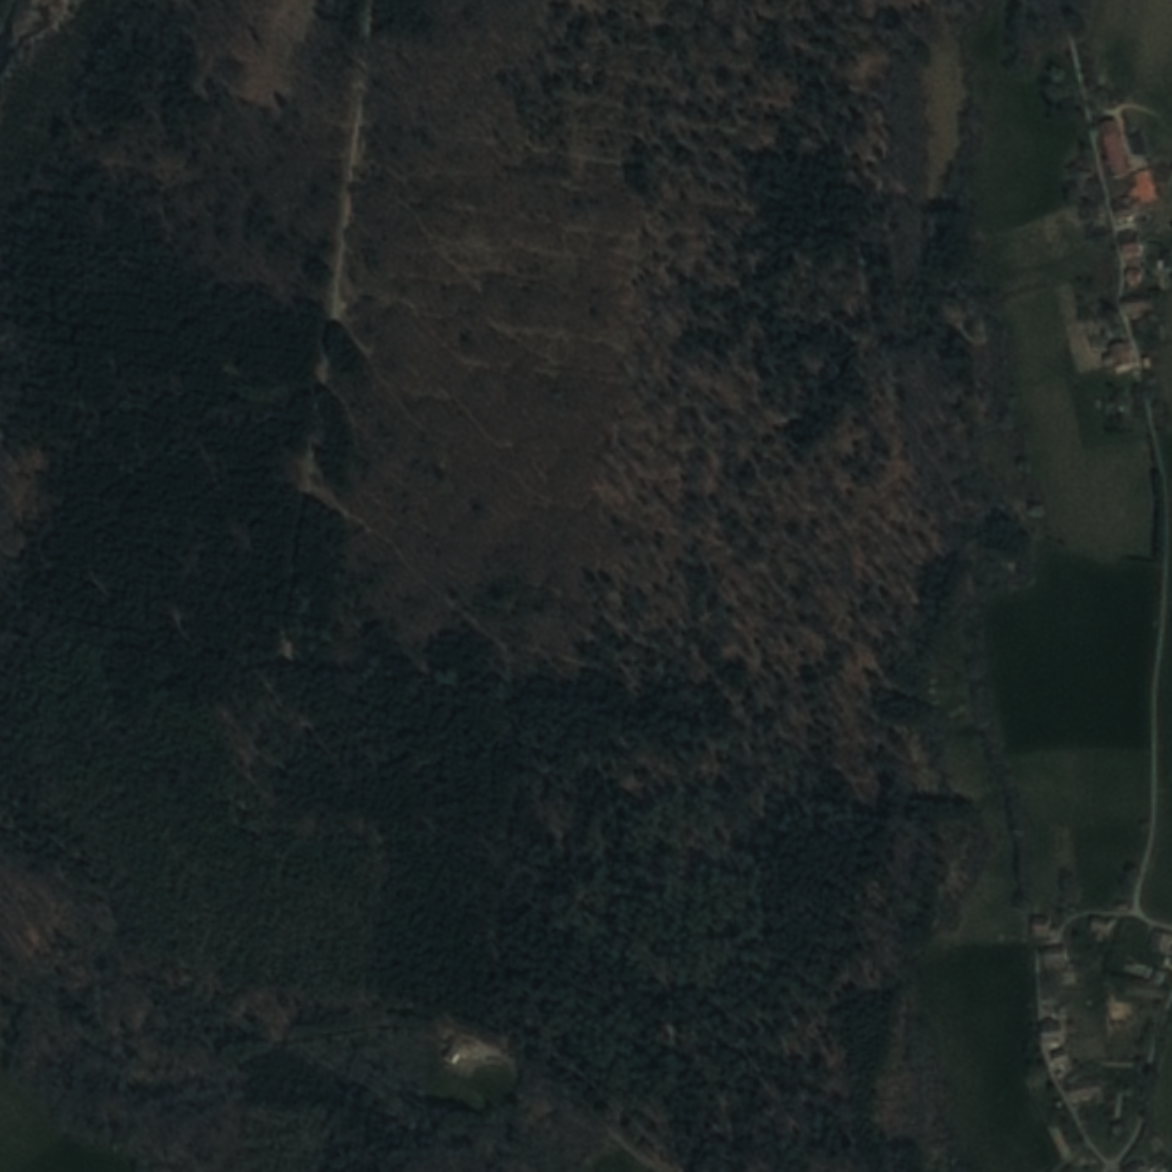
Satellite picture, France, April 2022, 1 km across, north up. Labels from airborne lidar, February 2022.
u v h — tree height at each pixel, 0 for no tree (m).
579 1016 28
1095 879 0
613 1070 33
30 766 17
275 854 11
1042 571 0
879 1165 18
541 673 10
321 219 16
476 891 20
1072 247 0
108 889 13
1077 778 0
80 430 12
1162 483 13
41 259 25
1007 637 0
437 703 27
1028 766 0
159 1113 27
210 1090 24
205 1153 22
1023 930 0
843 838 39
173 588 19
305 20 0
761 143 14
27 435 28
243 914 14
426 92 18
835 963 39
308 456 13
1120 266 0
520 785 21
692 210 11
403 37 17
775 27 11
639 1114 26
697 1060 10
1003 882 0
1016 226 0
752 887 36
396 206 12
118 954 20
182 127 17
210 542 20
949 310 18
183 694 25
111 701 15
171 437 19
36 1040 21
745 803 34
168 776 18
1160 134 0
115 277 24
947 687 10
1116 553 0
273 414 17
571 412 11
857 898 36
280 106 0
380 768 17
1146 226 15
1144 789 0
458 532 11
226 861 15
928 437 31
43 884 27
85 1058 20
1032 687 0
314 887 12
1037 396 0
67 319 22
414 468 13
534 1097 22
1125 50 0
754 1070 29
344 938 13
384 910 13
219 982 8
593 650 14
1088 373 0
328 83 17
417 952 19
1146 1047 10
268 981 13
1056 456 0
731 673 15
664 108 13
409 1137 17
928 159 30
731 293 10
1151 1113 13
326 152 10
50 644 17
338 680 26
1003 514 14
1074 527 0
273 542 21
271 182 14
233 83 20
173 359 18
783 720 10
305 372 19
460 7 19
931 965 0
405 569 10
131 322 21
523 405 13
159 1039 20
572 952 27
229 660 23
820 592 28
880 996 13
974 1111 0
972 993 0
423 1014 16
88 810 12
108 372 21
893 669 31
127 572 17
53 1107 14
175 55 14
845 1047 11
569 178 13
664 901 34
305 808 21
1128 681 0
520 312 6
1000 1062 0
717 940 16
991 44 0
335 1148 10
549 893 18
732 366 28
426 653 10
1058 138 0
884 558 29
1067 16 25
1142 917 0
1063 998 19
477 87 18
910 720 26
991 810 0
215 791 16
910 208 34
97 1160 0
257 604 24
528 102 15
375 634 18
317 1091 7
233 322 18
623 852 21
